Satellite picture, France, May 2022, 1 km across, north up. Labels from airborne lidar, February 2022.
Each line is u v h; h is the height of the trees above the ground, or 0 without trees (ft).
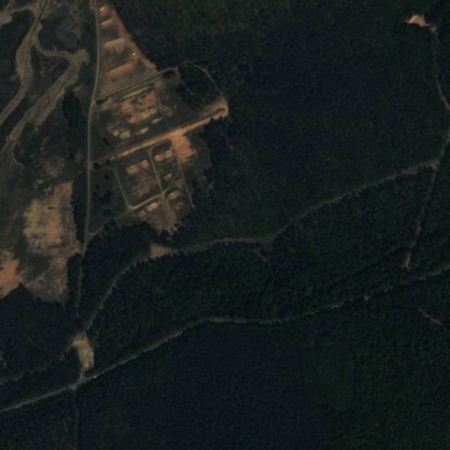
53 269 0
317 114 87
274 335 68
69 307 67
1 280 0
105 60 0
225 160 84
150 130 0
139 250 46
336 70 90
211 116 0
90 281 75
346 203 77
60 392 0
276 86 79
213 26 91
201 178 0
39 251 0
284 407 72
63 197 0
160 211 0
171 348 68
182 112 0
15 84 0
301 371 53
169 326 53
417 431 73
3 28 0
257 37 68
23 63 0
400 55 92
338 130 78
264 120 75
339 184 70
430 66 82
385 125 81
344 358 0
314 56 96
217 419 65
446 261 26
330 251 90
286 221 75
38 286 0
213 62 70
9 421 32
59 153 0
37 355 89
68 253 0
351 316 88
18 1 0
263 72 69
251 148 68
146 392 57
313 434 73
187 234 75
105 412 73
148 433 56
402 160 63
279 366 55
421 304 85
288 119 83
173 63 62
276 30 81
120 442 56
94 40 0
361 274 71
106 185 0
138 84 0
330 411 68
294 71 99
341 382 0
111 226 57
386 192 73
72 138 0
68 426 79
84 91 0
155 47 69
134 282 67
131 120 0
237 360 64
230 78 86
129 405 75
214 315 71
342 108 77
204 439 58
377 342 78
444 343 86
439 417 74
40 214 0
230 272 107
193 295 79
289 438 65
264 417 67
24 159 0
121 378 81
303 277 98
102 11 0
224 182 66
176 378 71
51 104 0
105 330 49
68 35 0
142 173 0
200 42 86
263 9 61
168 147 0
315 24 77
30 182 0
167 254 0
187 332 52
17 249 0
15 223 0
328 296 102
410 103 83
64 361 43
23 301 72
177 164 0
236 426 61
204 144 0
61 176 0
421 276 28
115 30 0
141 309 70
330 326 76
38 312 83
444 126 69
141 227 44
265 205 89
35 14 0
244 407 72
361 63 85
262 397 72
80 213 38
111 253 51
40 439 70
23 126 0
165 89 0
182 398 78
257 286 99
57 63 0
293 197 88
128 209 0
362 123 81
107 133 0
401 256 83
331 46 89
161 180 0
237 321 0
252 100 85
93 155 0
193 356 54
